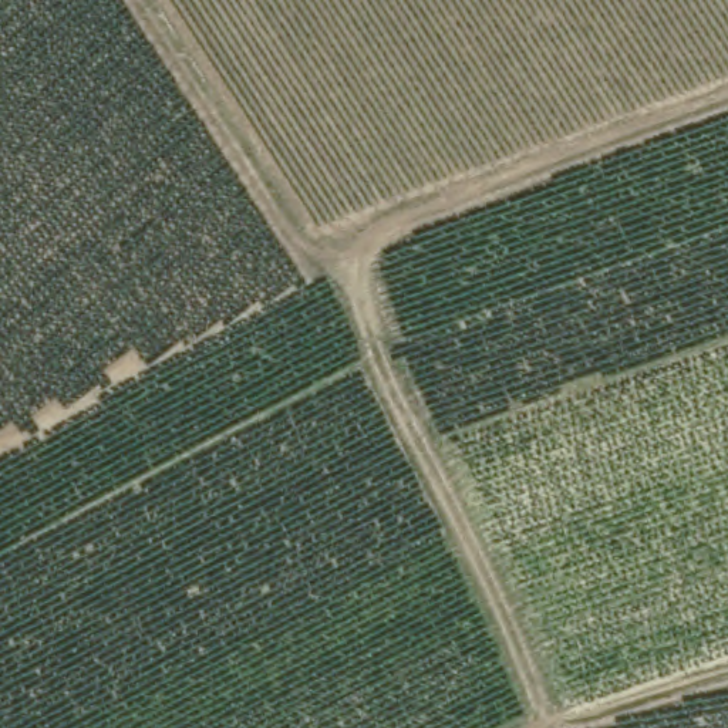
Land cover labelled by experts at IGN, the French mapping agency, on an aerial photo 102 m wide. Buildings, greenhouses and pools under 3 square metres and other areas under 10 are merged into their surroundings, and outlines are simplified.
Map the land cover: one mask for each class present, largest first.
<instances>
[{"label":"vineyard","instance_id":"1","mask_svg":"<svg viewBox=\"0 0 728 728\"><path fill-rule=\"evenodd\" d=\"M0 728H728V0H0Z\"/></svg>","mask_w":728,"mask_h":728}]
</instances>
